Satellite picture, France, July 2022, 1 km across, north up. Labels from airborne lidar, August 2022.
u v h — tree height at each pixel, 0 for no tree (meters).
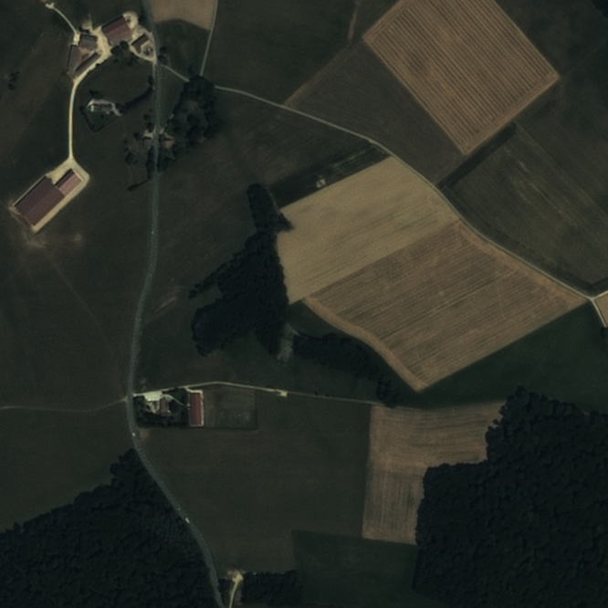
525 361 0
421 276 0
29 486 0
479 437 0
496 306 0
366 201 0
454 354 0
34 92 0
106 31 0
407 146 0
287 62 0
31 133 0
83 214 0
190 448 0
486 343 0
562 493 26
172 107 0
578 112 0
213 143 0
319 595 0
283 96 0
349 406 0
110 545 30
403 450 0
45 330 0
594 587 31
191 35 0
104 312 0
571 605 29
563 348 0
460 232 0
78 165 0
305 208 0
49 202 0
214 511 0
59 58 0
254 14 0
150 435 0
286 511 0
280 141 0
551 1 0
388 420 0
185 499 0
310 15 0
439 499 25
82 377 0
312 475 0
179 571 26
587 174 0
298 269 0
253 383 0
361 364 26
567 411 23
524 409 23
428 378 0
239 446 0
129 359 0
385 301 0
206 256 0
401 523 0
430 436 0
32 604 31
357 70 0
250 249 20
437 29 0
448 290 0
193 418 0
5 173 0
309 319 0
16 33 0
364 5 0
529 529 31
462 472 23
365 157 0
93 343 0
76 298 0
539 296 0
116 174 0
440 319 0
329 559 0
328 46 0
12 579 27
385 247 0
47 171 0
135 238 0
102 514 32
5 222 0
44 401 0
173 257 0
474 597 30
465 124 0
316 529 0
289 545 0
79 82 0
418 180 0
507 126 0
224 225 0
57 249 0
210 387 0
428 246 0
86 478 0
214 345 28
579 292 0
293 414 0
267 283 26
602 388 0
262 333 16
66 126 0
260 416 0
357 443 0
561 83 0
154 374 0
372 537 0
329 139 0
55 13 0
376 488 0
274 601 15
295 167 0
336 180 0
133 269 0
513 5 0
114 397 0
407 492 0
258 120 0
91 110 0
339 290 0
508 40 0
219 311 24
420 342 0
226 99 0
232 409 0
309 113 0
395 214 0
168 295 0
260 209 22
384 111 0
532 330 0
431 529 29
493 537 29
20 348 0
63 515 23
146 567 28
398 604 0
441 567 27
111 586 29
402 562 0
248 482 0
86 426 0
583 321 0
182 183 0
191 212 0
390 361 0
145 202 0
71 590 27
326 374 0
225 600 9
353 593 0
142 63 0
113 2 0
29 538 29
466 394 0
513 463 17
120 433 0
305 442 0
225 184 0
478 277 0
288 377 0
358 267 0
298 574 13
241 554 0
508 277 0
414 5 0
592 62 0
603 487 27
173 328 0
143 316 0
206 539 0
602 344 0
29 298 0
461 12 0
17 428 0
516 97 0
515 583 33
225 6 0
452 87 0
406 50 0
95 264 0
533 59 0
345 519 0
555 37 0
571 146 0
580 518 25
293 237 0
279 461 0
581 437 32
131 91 0
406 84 0
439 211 0
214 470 0
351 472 0
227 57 0
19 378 0
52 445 0
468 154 0
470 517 29
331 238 0
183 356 0
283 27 0
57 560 24
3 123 0
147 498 8
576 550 31
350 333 0
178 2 0
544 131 0
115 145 0
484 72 0
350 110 0
